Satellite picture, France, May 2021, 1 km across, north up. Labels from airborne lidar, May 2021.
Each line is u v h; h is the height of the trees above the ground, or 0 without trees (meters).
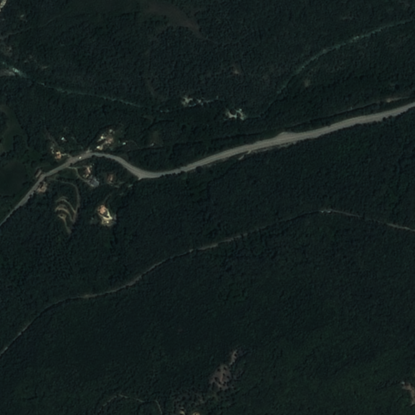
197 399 14
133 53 15
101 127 8
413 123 13
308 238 13
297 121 7
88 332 7
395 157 18
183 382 11
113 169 10
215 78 11
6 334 13
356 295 13
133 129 14
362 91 17
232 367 10
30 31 7
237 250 10
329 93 16
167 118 11
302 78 10
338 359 8
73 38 7
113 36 14
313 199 20
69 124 13
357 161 14
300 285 9
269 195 16
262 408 19
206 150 13
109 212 0
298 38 9
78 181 13
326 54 11
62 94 15
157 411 14
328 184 15
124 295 8
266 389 13
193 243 14
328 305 9
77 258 14
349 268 12
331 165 12
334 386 13
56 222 8
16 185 0
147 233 15
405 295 9
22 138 10
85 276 14
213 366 8
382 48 7
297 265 15
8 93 18
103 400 9
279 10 6
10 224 18
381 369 13
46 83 13
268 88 8
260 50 12
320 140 14
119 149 8
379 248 10
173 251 14
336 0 12
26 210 17
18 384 10
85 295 12
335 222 16
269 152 7
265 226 9
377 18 15
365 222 16
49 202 12
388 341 12
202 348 6
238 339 6
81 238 12
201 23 14
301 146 12
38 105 12
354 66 9
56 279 13
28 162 9
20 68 13
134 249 18
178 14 0
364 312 13
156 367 7
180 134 20
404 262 15
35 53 11
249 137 21
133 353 6
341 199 10
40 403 11
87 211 13
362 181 8
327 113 8
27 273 13
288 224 16
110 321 6
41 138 14
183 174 17
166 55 9
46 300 7
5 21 8
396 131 19
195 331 6
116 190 10
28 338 9
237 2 14
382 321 14
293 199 16
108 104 11
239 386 10
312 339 10
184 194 13
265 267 15
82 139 16
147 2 0
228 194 13
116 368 6
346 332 12
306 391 13
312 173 10
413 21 11
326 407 13
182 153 23
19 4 13
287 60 10
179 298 7
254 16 7
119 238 21
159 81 10
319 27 8
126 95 11
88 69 13
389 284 12
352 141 14
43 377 7
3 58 14
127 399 14
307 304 10
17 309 13
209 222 22
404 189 14
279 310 10
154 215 14
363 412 12
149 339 10
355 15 7
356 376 12
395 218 20
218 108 17
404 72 11
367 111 15
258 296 9
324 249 10
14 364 9
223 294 11
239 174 18
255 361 10
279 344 10
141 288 19
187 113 19
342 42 7
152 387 9
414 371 10
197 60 9
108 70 13
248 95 10
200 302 6
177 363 8
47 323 6
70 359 7
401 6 12
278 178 18
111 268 12
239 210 13
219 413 12
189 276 7
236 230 14
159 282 7
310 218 13
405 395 9
